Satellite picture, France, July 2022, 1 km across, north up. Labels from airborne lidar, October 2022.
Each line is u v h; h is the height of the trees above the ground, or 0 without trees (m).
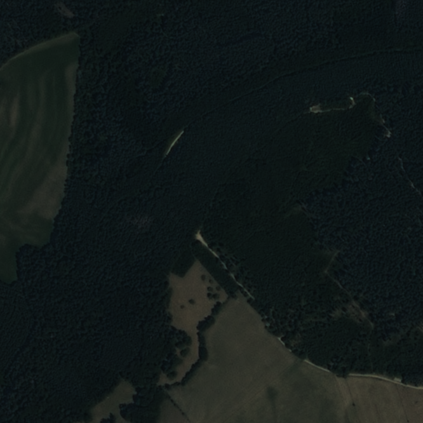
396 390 0
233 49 35
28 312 18
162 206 17
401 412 0
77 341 28
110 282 27
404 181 28
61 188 0
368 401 0
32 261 20
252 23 15
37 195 0
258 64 32
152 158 17
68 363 18
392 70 15
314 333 8
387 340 35
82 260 16
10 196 0
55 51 0
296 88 15
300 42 30
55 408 19
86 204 18
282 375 0
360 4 12
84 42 22
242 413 0
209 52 23
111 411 0
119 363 24
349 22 12
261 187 13
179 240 19
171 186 12
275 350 0
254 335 0
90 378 22
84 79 15
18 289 17
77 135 17
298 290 11
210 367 0
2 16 14
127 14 14
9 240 0
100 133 32
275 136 11
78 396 27
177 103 27
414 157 25
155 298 23
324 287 13
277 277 8
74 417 28
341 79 14
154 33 18
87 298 23
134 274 24
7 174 0
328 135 6
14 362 27
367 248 32
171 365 19
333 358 5
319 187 6
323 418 0
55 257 23
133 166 24
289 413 0
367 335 8
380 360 8
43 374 19
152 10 19
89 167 26
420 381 21
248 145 11
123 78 11
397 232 31
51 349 13
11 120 0
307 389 0
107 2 20
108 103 25
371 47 16
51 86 0
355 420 0
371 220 33
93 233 21
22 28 21
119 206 10
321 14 32
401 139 29
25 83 0
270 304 10
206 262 6
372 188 30
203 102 17
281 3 32
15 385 34
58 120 0
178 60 22
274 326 14
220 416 0
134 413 28
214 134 12
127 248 23
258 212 10
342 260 28
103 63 24
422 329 0
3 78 0
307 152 7
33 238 0
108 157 35
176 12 23
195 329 0
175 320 0
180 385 12
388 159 28
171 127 16
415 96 29
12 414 35
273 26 34
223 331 0
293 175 7
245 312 0
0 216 0
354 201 31
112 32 17
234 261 21
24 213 0
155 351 26
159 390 27
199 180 14
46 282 24
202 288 0
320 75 15
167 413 0
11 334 18
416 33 18
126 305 26
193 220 17
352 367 9
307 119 10
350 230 32
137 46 30
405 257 22
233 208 13
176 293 0
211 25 25
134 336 22
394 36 17
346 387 0
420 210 31
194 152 12
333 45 19
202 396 0
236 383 0
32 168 0
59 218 16
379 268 33
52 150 0
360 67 16
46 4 27
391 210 31
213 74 27
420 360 8
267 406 0
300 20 30
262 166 14
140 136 19
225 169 13
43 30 19
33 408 22
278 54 28
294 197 11
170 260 20
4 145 0
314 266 9
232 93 16
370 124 10
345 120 8
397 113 29
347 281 36
